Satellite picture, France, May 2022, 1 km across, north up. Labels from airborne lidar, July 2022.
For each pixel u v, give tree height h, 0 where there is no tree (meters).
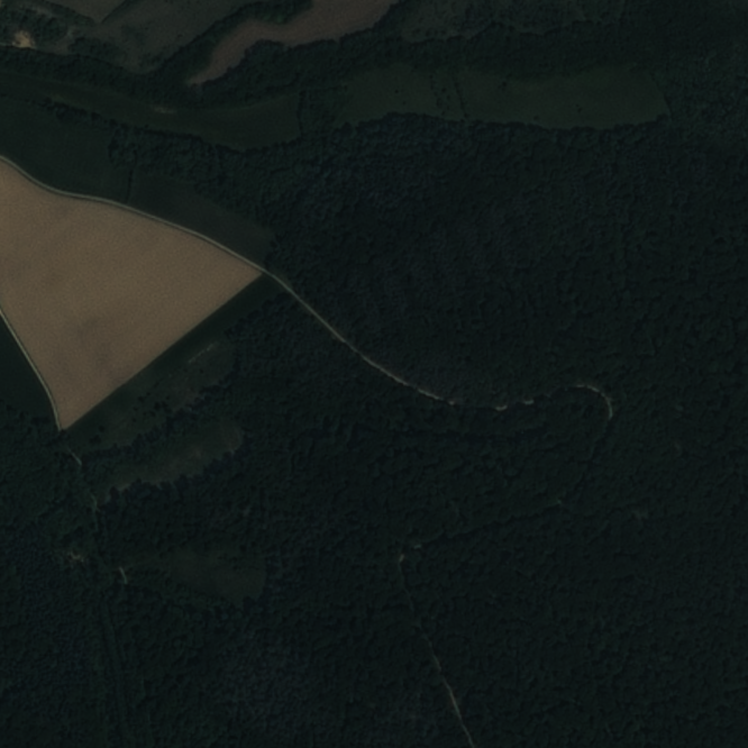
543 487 25
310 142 13
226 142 0
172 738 15
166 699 24
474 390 13
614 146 19
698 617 22
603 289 28
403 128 24
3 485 21
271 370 9
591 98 0
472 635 27
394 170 21
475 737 24
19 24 10
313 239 23
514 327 21
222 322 0
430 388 15
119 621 21
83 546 27
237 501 7
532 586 17
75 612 20
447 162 27
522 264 25
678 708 25
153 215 0
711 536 27
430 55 13
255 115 0
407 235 22
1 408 19
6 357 0
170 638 22
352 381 20
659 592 14
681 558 19
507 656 15
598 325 27
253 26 0
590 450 18
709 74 25
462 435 8
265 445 20
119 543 23
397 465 27
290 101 0
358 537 22
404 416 25
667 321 28
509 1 0
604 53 19
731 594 20
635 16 14
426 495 28
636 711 23
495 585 26
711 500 26
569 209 22
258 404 24
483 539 26
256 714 22
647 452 21
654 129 20
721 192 24
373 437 26
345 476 24
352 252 27
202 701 15
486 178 24
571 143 21
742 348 27
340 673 24
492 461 26
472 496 27
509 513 25
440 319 22
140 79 6
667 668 25
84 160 0
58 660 23
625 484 23
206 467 0
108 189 0
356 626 27
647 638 24
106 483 26
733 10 17
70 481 14
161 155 25
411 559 25
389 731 19
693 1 14
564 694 25
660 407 20
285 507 15
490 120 0
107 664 22
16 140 0
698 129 25
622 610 17
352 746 25
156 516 21
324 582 25
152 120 0
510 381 18
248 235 0
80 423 0
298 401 22
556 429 26
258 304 0
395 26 11
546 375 20
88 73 15
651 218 20
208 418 24
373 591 26
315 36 0
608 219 22
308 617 21
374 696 26
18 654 24
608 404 13
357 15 0
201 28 0
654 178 22
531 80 14
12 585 21
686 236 26
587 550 27
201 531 21
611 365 24
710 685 26
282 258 10
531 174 23
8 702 22
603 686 25
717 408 25
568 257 21
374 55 12
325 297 21
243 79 16
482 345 23
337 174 30
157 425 0
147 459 25
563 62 17
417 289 21
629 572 24
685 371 26
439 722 20
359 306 24
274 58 16
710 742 25
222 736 20
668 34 11
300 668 20
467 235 25
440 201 21
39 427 19
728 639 26
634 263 25
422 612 26
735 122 24
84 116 17
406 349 13
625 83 0
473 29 12
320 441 27
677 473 25
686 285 24
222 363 0
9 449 18
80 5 0
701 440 21
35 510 25
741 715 26
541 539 25
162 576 10
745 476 21
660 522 27
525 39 11
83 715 20
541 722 20
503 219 20
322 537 18
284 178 29
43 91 0
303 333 22
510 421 27
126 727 19
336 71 7
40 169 0
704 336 27
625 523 25
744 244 28
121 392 0
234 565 6
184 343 0
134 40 0
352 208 24
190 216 0
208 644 22
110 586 9
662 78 22
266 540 22
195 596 12
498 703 26
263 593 0
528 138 24
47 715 17
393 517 27
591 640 23
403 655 28
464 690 18
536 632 20
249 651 18
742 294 26
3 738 26
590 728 23
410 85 0
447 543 25
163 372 0
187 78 12
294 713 22
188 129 0
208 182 22
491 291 23
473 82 0
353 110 0
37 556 28
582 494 22
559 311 26
